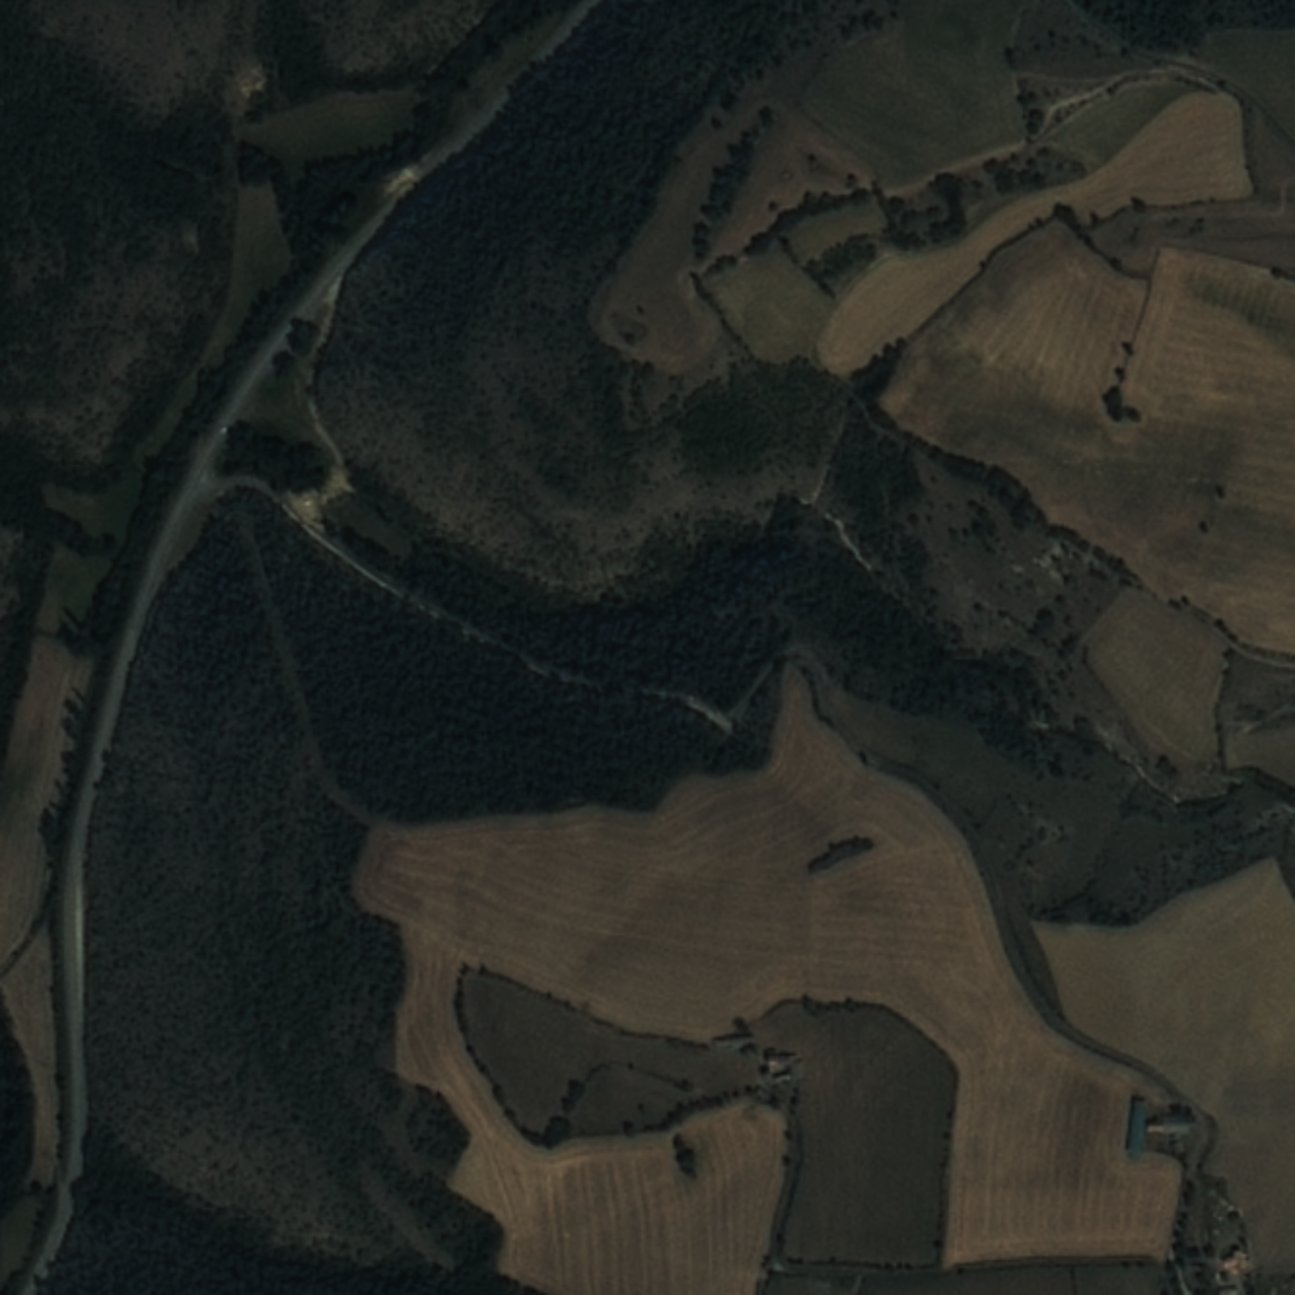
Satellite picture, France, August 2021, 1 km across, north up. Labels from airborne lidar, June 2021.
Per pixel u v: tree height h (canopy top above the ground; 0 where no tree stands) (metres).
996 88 0
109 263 6
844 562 9
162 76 0
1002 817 0
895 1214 0
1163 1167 0
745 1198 0
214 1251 8
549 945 0
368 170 9
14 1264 0
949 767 0
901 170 0
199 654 8
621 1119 0
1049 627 12
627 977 0
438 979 0
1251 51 0
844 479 6
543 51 0
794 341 0
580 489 5
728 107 8
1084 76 0
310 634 11
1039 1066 0
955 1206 0
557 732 8
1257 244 0
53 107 9
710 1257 0
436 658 11
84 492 14
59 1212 0
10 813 0
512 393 7
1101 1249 0
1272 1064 0
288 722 6
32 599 13
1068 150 0
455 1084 0
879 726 0
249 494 7
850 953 0
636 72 7
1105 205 0
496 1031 0
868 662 6
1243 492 0
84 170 9
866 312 0
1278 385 0
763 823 0
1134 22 6
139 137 10
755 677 7
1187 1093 0
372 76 7
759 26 7
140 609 0
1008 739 8
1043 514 6
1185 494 0
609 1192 0
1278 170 0
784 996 0
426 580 10
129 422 11
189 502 0
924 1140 0
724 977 0
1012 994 0
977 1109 0
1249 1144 0
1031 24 0
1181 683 0
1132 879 0
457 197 8
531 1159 0
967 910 0
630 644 9
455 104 0
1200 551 0
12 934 0
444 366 5
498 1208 0
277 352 0
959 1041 0
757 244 10
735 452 6
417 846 0
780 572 9
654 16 6
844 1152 0
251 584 10
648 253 0
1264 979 0
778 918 0
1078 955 0
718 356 0
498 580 9
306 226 13
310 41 10
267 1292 6
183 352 7
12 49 9
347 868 8
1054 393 0
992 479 9
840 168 0
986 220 0
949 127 0
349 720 10
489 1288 10
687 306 0
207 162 15
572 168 6
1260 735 0
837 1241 0
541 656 11
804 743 0
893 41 0
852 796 0
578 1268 0
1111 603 0
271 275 0
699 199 0
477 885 0
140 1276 7
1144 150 0
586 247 6
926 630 10
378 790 7
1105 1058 0
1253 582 0
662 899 0
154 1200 12
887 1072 0
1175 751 0
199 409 7
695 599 9
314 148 0
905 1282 0
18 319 7
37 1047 0
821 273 8
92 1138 10
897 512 6
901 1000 0
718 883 0
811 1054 0
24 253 6
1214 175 0
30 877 0
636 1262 0
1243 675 0
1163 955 0
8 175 7
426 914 0
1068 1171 0
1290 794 7
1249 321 0
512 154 8
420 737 6
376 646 10
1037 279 0
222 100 6
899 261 0
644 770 7
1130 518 0
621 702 8
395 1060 0
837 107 0
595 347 7
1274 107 0
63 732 0
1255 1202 0
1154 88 0
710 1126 0
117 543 11
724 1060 0
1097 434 0
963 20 0
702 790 0
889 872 0
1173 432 0
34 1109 25
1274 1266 0
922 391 0
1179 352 0
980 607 7
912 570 6
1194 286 0
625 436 7
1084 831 0
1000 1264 0
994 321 0
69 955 0
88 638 9
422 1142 7
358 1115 6
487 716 10
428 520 6
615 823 0
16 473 13
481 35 14
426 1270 13
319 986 8
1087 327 0
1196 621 0
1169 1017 0
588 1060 0
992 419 0
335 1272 11
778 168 0
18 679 15
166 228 5
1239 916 0
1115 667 0
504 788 10
